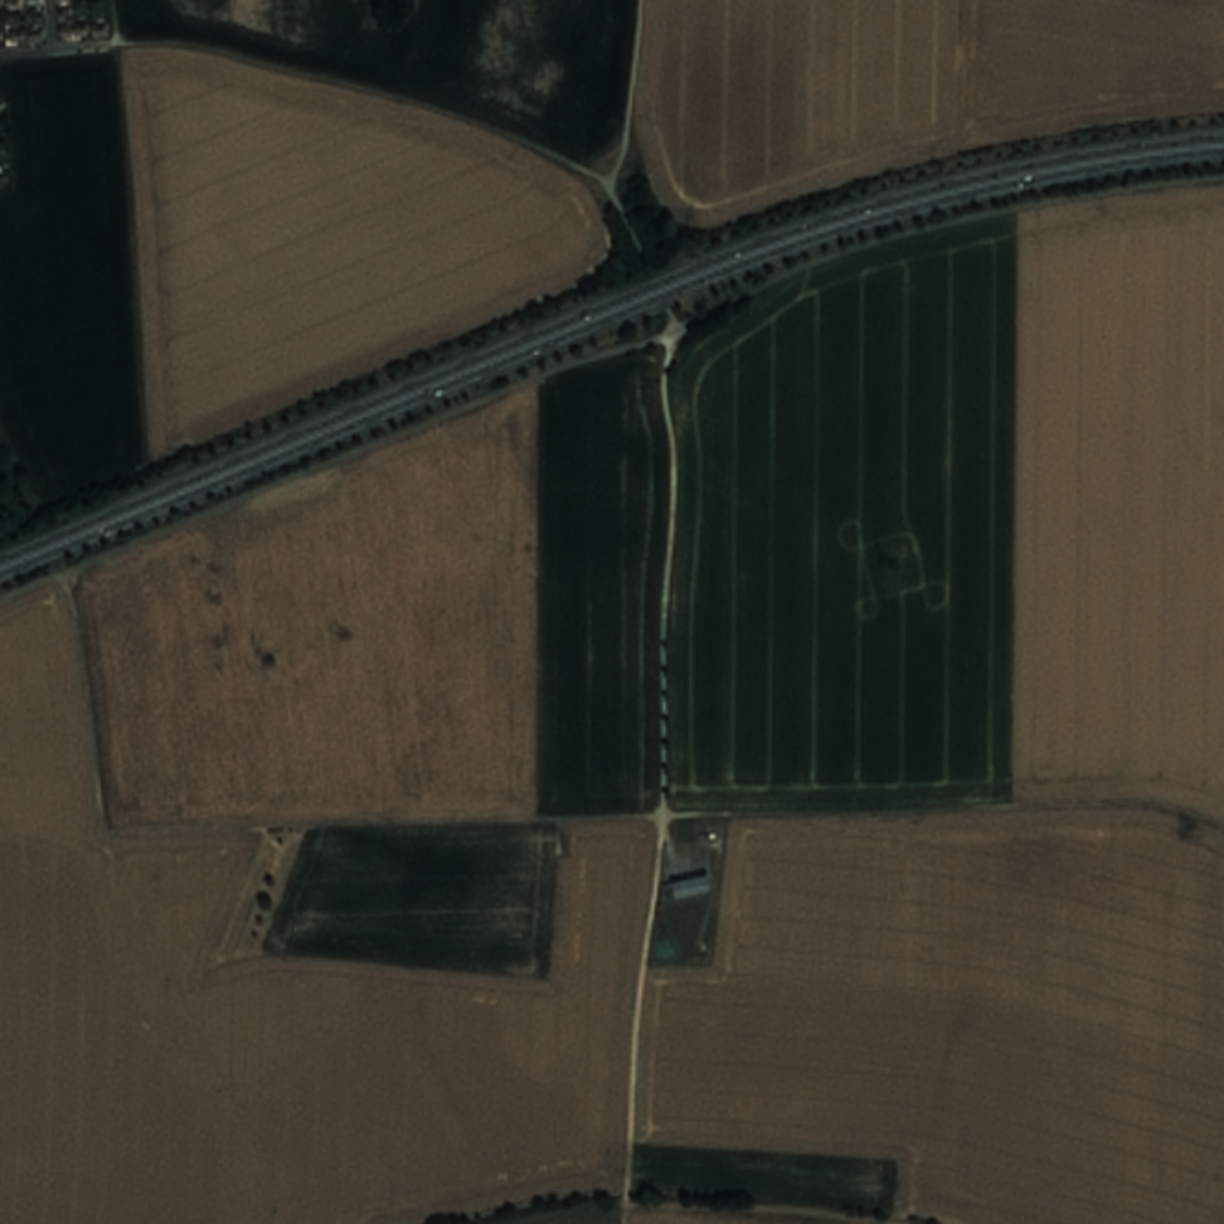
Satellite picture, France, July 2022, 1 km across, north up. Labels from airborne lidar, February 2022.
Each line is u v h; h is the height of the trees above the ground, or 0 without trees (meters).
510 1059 0
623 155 0
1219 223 0
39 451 0
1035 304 0
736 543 0
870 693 0
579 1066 0
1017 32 0
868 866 0
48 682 0
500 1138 0
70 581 0
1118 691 0
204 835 0
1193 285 0
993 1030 0
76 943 0
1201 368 0
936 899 0
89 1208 0
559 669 0
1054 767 0
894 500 0
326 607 0
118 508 0
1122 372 0
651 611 0
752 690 0
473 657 0
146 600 0
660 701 0
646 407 0
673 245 11
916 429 0
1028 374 0
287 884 0
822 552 0
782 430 0
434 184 0
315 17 0
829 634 0
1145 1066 0
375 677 0
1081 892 0
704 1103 0
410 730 0
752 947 0
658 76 0
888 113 0
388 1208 0
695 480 0
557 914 0
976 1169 0
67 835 0
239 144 0
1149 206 0
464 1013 0
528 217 0
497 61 0
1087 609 0
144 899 0
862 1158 0
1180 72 0
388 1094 0
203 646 0
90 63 0
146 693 0
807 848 0
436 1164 0
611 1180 0
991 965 0
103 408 0
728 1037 0
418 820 0
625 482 0
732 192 0
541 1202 9
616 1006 0
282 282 0
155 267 0
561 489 0
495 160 0
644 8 0
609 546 0
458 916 0
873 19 0
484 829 0
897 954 0
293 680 0
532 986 0
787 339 0
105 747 0
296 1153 0
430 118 0
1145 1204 0
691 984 0
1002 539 0
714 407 0
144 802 0
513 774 0
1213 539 0
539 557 0
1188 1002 0
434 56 0
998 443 0
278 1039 0
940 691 0
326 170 0
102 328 0
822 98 0
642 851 0
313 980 0
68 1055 0
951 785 0
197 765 0
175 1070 0
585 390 0
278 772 0
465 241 0
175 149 0
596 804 0
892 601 0
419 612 0
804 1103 0
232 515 0
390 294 0
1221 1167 0
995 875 0
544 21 0
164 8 0
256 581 0
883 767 0
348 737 0
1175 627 0
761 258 0
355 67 0
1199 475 0
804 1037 0
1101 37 0
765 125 0
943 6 0
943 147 0
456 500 0
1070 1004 0
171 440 0
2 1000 0
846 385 0
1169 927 0
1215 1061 0
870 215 0
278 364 0
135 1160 0
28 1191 0
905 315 0
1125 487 0
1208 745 0
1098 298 0
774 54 0
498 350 0
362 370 0
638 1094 0
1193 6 0
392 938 0
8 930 0
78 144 0
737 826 0
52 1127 0
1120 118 0
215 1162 0
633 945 0
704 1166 0
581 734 0
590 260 0
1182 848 0
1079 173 0
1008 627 0
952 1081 0
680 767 0
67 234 0
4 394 0
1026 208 0
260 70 0
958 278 0
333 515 0
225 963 0
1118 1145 0
